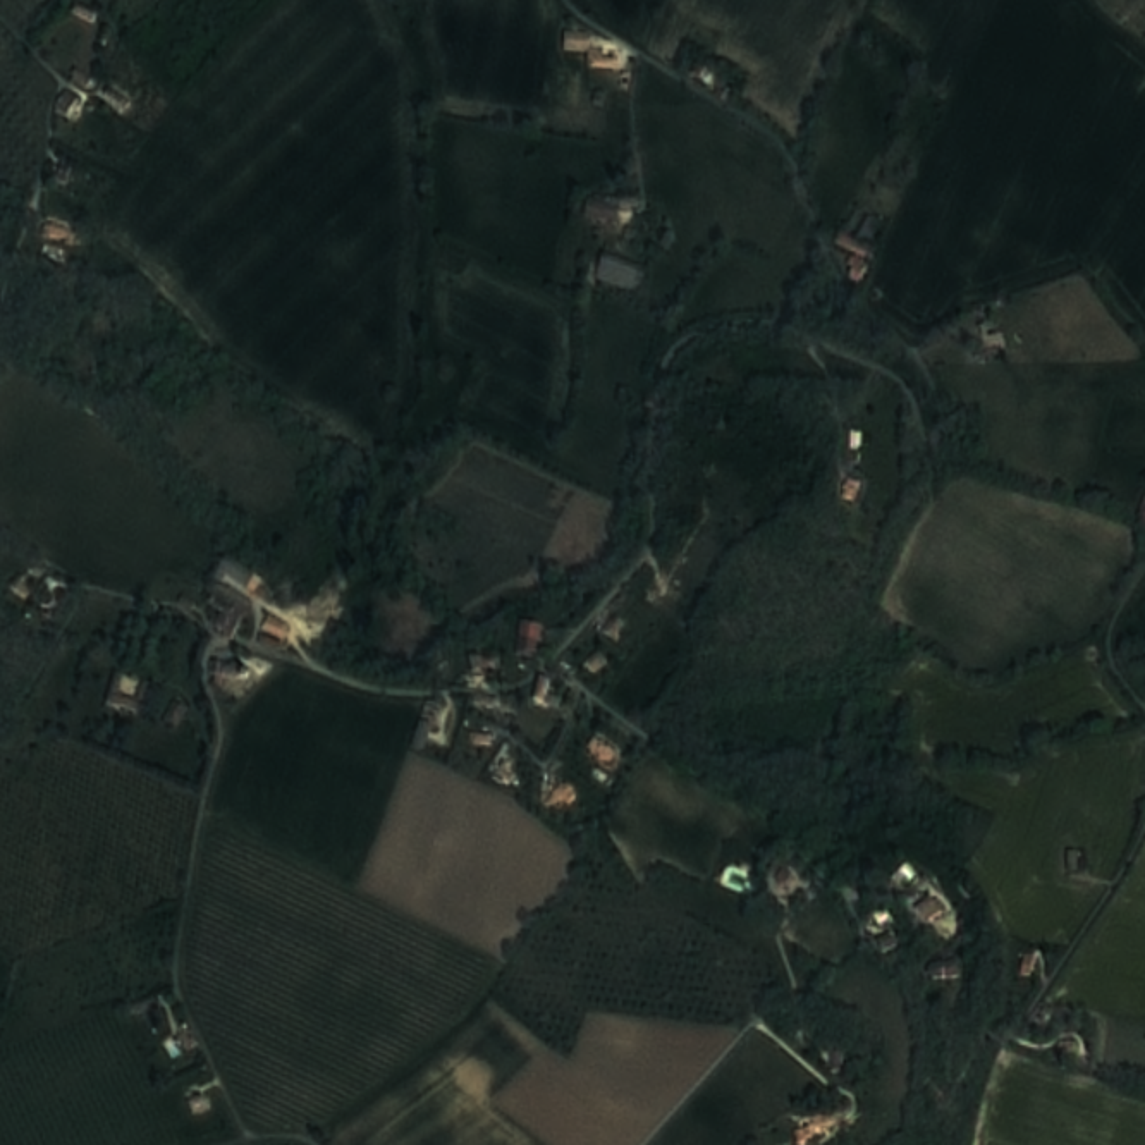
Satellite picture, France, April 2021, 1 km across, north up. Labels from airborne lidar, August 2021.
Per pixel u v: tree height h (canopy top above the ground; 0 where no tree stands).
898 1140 15
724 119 0
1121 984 0
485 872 0
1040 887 0
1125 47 0
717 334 6
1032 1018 9
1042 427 0
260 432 0
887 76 0
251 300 0
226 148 0
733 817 0
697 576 0
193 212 0
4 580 12
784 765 21
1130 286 0
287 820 0
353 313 0
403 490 11
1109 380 0
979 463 12
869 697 18
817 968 9
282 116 0
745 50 0
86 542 0
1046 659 12
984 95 0
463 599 0
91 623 0
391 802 0
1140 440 0
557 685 9
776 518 8
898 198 0
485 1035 0
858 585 14
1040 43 0
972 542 0
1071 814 0
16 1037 0
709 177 0
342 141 0
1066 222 0
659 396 10
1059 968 0
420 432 0
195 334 13
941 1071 18
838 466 13
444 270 0
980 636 0
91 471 0
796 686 15
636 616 0
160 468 19
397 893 0
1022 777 0
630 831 0
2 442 0
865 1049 13
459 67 0
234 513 14
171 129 0
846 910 9
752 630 17
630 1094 0
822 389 16
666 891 7
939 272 0
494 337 0
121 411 21
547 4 0
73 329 15
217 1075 0
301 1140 0
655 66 0
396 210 0
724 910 0
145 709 15
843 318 21
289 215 0
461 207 0
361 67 0
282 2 0
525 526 0
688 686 17
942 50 0
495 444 8
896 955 9
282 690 0
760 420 6
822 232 14
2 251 11
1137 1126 0
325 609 0
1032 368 0
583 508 0
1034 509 0
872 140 0
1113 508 22
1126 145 0
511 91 0
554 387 0
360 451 16
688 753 22
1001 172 0
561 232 0
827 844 19
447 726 0
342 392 0
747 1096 0
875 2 0
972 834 0
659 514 5
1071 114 0
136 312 18
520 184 0
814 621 18
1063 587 0
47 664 13
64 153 6
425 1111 0
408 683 9
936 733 0
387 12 0
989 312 7
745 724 8
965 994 6
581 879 10
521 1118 0
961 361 0
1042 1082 0
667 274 0
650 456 11
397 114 0
